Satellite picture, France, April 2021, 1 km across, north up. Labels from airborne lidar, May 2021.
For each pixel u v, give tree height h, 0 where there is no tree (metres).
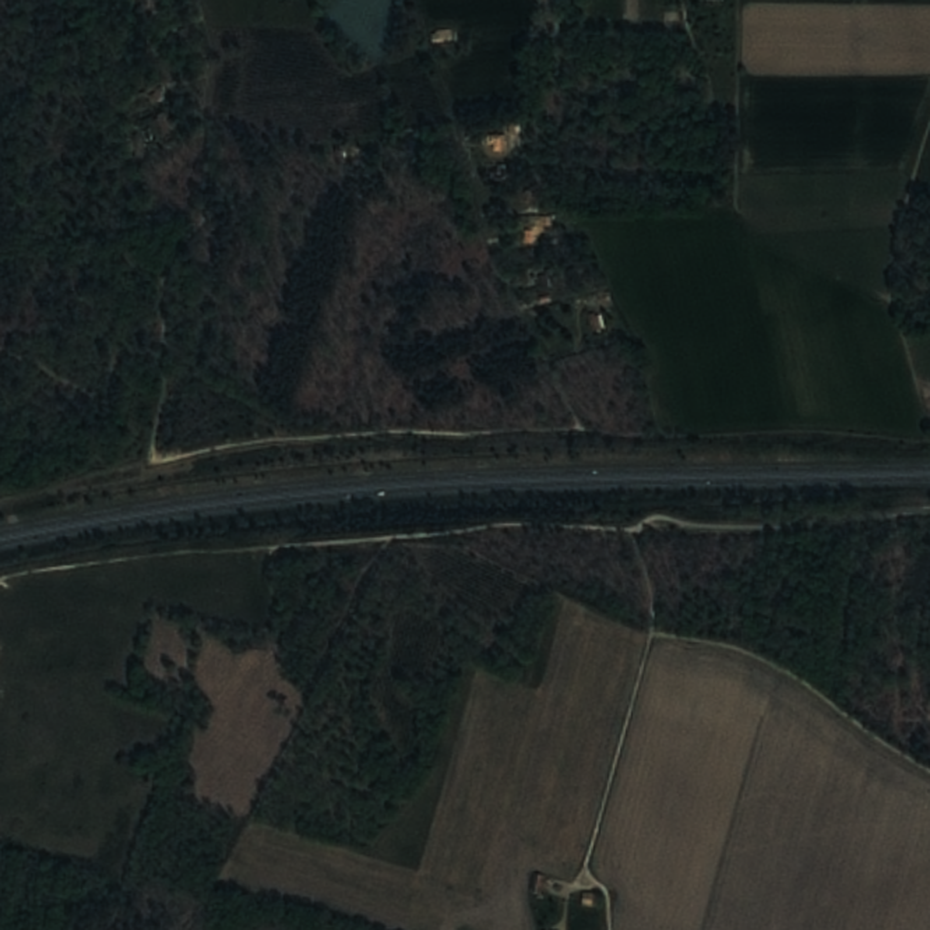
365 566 0
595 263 14
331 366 14
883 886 0
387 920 0
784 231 0
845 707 13
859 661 16
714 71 6
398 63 0
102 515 0
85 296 16
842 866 0
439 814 0
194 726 13
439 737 19
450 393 14
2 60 15
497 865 0
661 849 0
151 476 0
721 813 0
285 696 0
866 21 0
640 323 0
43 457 17
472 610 15
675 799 0
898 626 12
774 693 0
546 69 16
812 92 0
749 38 0
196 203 15
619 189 20
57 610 0
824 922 0
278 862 0
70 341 15
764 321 0
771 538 16
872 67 0
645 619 15
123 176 16
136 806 0
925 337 13
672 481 0
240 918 21
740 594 18
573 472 0
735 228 0
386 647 15
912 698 12
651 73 23
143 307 18
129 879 13
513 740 0
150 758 19
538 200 13
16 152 18
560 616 0
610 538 14
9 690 0
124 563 0
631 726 0
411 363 15
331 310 16
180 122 11
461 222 21
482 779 0
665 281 0
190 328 17
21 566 0
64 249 18
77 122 16
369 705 15
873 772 0
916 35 0
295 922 19
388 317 10
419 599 15
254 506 0
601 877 0
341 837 12
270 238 16
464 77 0
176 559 0
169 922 13
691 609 12
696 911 0
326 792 15
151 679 15
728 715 0
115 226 15
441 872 0
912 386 0
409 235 10
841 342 0
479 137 7
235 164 12
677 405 0
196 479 0
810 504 18
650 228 0
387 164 16
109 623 0
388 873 0
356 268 18
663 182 21
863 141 0
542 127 11
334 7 0
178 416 8
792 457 10
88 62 17
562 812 0
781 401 0
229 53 16
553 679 0
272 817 16
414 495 0
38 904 18
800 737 0
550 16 22
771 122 0
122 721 0
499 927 0
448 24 0
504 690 0
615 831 0
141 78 13
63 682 0
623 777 0
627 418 8
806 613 18
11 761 0
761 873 0
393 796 14
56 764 0
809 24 0
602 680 0
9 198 25
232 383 18
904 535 12
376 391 16
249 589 0
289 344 20
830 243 0
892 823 0
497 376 14
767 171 0
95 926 20
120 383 18
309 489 0
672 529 6
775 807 0
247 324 17
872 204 0
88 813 0
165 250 20
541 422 13
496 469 0
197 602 0
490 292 16
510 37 0
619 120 15
